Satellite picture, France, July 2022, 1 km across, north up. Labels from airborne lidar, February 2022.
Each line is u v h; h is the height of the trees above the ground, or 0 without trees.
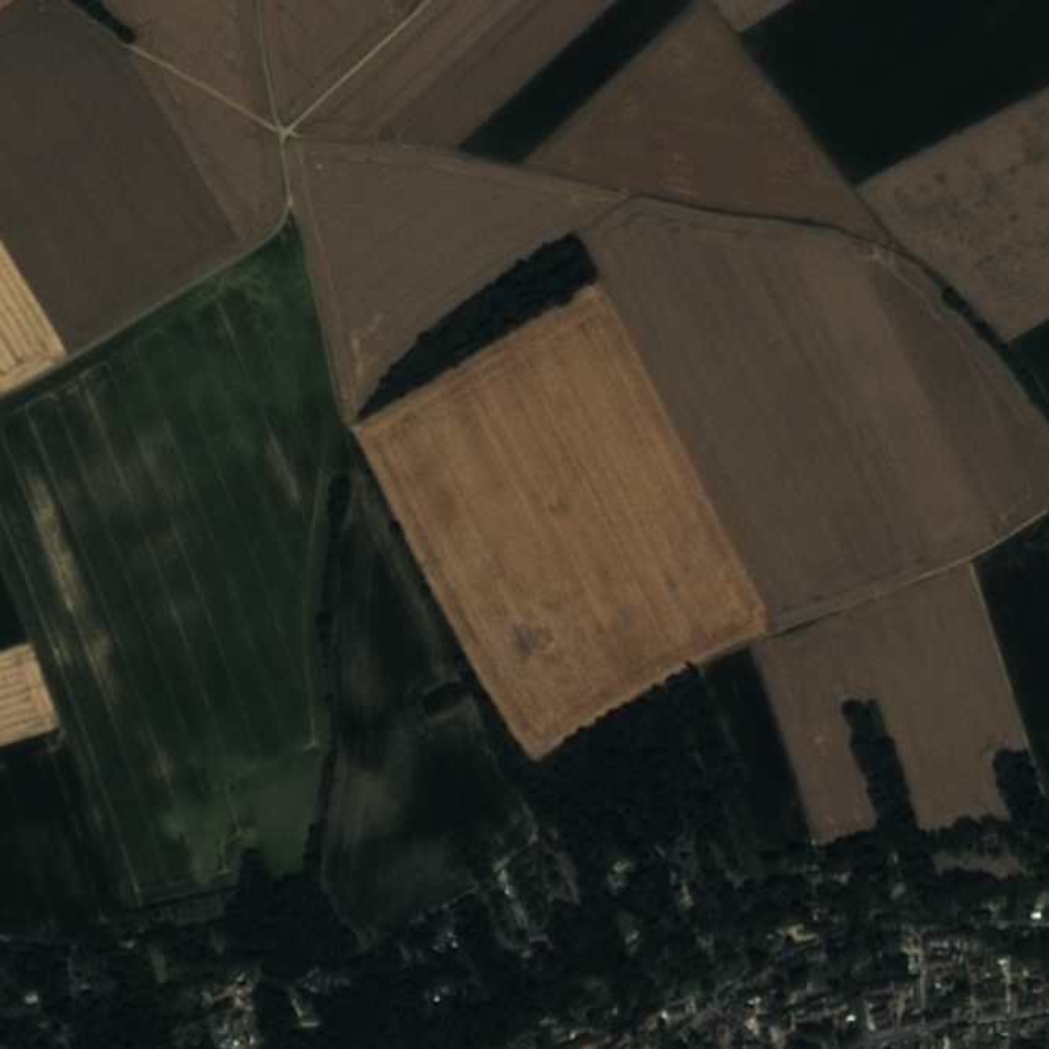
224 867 0
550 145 0
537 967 14
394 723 0
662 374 0
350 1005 21
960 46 0
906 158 0
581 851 13
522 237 0
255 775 0
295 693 0
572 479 0
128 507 0
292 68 0
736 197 0
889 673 0
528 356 0
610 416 0
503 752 11
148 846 0
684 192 0
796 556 0
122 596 0
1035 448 0
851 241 0
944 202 0
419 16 0
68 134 0
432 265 0
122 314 0
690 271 0
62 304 0
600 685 0
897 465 0
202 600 0
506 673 0
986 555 0
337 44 0
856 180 0
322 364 0
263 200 0
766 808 0
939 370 0
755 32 0
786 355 0
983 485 0
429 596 9
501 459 0
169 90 0
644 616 0
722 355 0
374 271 0
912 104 0
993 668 0
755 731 0
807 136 0
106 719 0
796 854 17
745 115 0
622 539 0
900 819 18
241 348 0
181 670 0
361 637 0
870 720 9
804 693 0
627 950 12
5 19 0
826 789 0
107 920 0
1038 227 0
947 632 0
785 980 15
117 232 0
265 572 0
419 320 0
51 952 8
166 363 0
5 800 0
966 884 21
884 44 0
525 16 0
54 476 0
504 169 0
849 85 0
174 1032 13
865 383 0
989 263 0
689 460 0
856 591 0
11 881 0
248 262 0
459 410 0
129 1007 15
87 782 0
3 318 0
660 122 0
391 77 0
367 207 0
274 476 0
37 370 0
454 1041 19
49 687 0
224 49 0
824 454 0
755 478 0
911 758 0
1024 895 7
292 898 19
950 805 0
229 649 0
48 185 0
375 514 0
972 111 0
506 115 0
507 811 0
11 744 0
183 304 0
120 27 7
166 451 0
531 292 14
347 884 0
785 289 0
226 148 0
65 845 0
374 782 0
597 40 0
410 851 0
